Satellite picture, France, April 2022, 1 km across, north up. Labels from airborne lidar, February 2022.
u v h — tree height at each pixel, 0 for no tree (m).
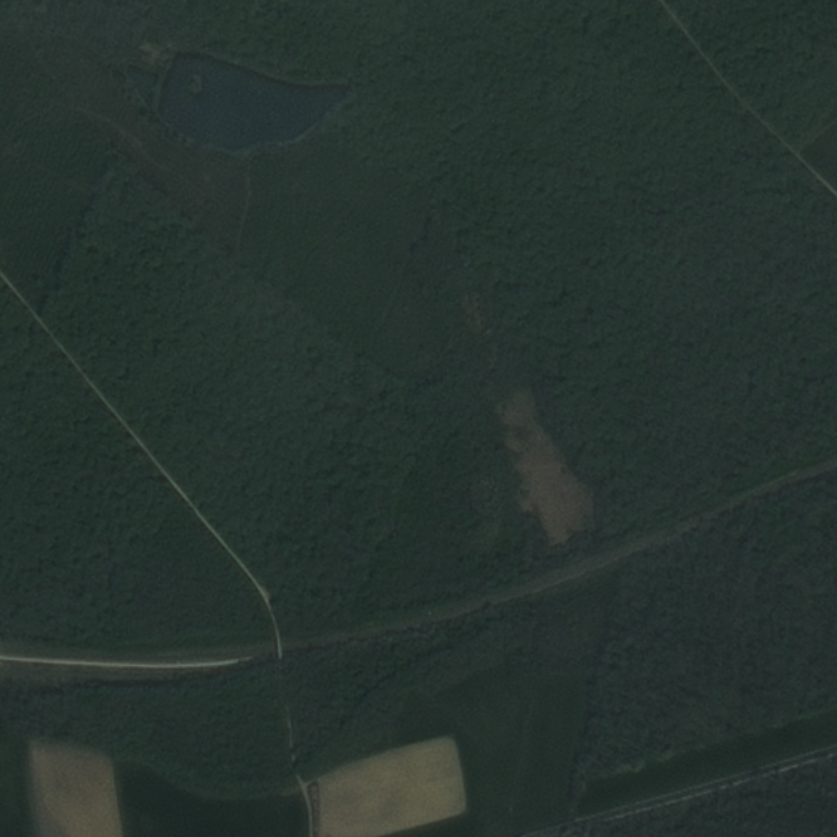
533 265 28
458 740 0
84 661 0
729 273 30
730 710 31
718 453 25
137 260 26
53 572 30
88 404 20
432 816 0
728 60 22
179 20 22
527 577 17
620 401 28
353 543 27
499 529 26
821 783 19
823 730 0
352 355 27
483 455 19
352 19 26
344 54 23
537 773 0
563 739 0
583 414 29
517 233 23
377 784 0
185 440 23
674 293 27
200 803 0
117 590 24
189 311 26
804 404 30
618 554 0
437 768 0
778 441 31
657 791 0
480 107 27
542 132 26
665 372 26
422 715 0
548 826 0
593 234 28
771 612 26
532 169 24
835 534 30
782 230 25
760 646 27
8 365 21
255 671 14
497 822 0
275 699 17
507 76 24
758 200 25
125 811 0
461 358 14
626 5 24
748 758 0
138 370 24
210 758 17
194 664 0
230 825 0
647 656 16
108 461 21
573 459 7
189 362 26
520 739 0
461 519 21
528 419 0
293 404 27
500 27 25
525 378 20
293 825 0
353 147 17
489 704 0
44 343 23
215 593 16
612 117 23
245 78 0
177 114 0
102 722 23
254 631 15
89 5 15
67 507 21
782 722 25
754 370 25
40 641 18
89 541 27
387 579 17
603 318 26
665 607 26
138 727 26
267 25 25
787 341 27
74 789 0
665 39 21
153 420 22
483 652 24
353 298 7
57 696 20
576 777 14
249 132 0
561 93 25
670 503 24
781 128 22
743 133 22
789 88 27
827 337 29
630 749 27
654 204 20
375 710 27
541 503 0
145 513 25
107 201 22
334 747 23
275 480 27
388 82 23
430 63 24
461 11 24
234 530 23
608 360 31
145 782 0
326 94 0
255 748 16
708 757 0
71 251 20
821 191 21
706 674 27
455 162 21
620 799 0
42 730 22
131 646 7
